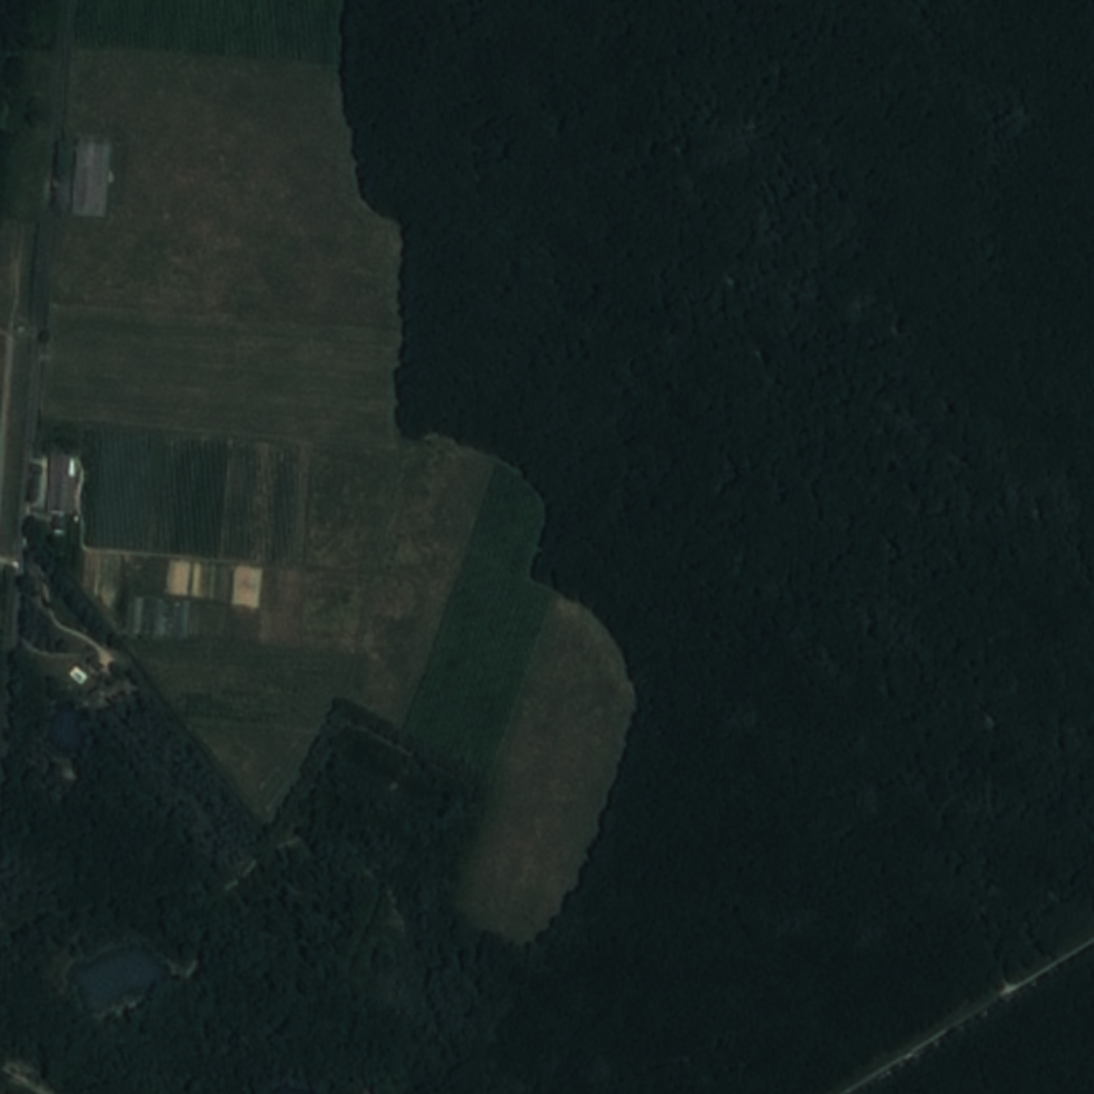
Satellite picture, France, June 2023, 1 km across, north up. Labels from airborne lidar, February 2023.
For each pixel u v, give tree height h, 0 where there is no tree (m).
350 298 0
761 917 25
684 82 24
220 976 23
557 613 0
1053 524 22
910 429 25
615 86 23
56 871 21
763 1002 19
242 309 0
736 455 25
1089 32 23
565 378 25
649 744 23
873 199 25
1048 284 24
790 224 27
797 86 25
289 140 0
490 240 28
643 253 24
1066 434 20
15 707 9
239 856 28
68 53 0
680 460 24
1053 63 24
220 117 0
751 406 25
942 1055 20
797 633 23
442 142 25
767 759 23
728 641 23
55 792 18
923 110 26
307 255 0
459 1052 14
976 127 21
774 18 27
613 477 24
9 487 0
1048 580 19
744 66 24
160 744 27
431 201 24
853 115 29
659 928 24
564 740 0
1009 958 21
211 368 0
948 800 24
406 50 27
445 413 23
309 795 14
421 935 7
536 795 0
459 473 0
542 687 0
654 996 20
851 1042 18
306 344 0
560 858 0
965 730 19
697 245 23
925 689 21
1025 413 23
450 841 18
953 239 30
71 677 0
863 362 28
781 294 24
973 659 28
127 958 0
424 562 0
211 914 22
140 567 0
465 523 0
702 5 25
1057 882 23
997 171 21
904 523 28
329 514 0
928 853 24
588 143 24
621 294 25
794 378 28
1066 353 21
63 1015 22
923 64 24
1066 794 20
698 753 25
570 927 14
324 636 0
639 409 24
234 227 0
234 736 0
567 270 23
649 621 24
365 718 13
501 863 0
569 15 26
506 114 26
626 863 22
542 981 17
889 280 26
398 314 0
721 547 23
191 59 0
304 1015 25
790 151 20
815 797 22
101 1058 18
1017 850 24
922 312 26
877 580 27
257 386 0
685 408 24
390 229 0
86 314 0
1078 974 21
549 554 16
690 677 22
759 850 22
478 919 0
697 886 23
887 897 23
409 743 15
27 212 0
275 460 0
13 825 21
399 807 25
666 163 23
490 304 27
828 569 29
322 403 0
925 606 26
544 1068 19
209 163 0
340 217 0
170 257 0
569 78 24
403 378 17
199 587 0
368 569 0
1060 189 24
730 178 26
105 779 23
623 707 0
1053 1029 18
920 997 21
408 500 0
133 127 0
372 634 0
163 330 0
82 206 0
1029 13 24
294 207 0
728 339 27
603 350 24
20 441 0
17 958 21
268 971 25
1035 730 20
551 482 24
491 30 24
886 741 21
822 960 20
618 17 24
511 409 25
